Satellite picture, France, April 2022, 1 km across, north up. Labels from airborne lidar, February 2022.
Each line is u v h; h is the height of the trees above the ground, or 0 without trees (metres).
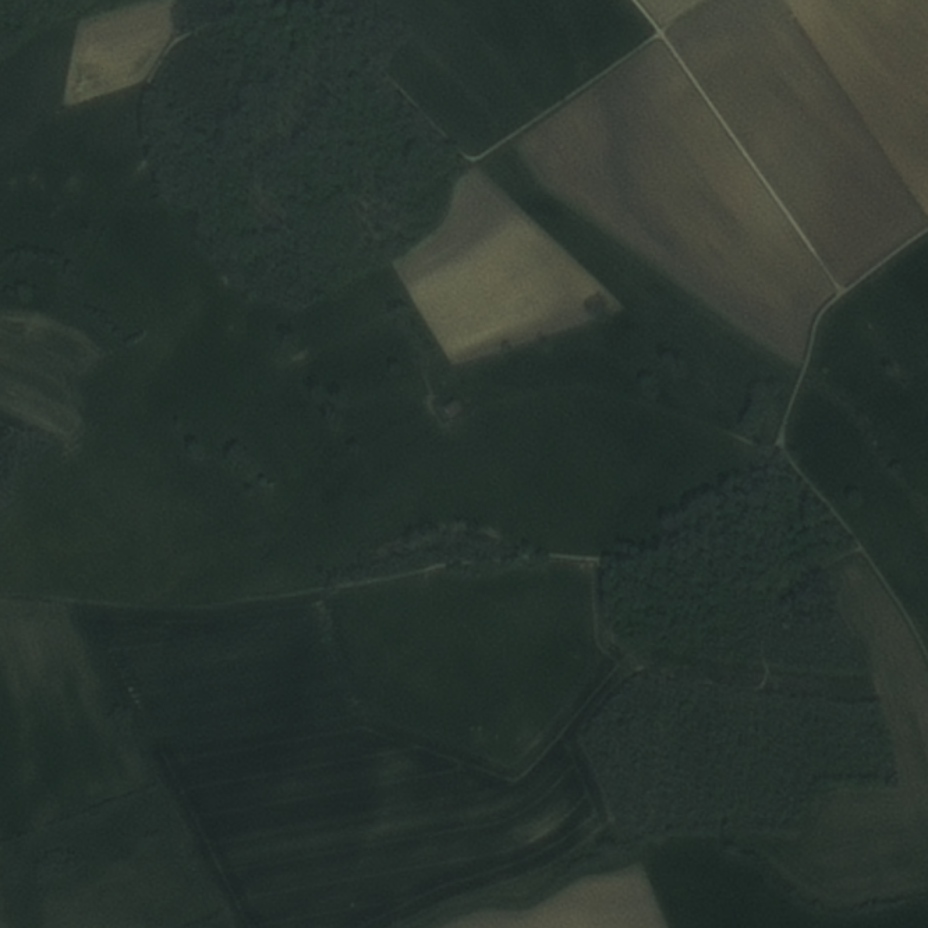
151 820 0
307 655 0
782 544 29
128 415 0
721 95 0
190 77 5
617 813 11
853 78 0
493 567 15
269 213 0
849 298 0
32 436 15
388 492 0
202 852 0
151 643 0
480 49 0
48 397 0
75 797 0
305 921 0
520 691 0
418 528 0
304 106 29
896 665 0
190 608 0
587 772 0
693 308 0
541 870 0
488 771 0
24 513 0
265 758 0
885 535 0
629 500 0
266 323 0
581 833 0
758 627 20
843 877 0
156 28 0
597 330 0
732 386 0
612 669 0
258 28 26
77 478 0
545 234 0
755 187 0
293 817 0
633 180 0
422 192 12
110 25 0
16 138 0
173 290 0
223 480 0
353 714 0
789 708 15
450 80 0
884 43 0
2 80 0
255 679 0
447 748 0
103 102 0
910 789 0
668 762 16
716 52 0
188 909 0
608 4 0
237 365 0
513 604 0
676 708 13
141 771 0
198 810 0
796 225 0
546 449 0
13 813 0
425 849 0
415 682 0
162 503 0
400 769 0
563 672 0
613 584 24
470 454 0
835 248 0
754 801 17
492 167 0
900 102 0
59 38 0
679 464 0
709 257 0
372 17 15
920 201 0
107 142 0
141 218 0
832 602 19
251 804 0
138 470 0
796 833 11
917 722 0
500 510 0
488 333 0
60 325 0
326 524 0
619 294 0
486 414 0
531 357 0
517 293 0
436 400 0
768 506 28
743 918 0
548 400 0
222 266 10
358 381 0
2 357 0
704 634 16
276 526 0
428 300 0
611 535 0
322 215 29
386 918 0
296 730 0
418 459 0
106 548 0
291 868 0
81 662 0
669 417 0
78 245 0
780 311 0
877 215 0
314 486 0
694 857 0
